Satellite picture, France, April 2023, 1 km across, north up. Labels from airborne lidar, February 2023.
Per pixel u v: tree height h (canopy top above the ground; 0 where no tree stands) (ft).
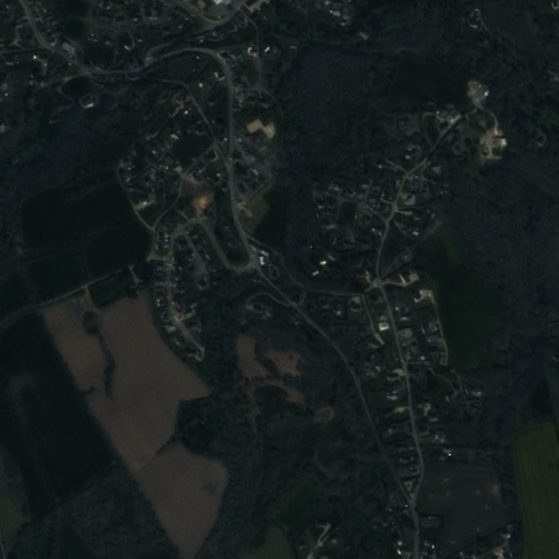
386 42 46
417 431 0
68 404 0
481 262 39
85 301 0
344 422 41
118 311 0
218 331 67
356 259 35
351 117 46
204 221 0
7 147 56
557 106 53
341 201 0
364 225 0
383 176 34
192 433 45
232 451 55
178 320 0
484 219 75
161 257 0
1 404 0
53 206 0
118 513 23
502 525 0
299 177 52
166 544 19
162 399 0
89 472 0
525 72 58
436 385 49
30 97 44
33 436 0
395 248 0
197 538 0
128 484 21
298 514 0
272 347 44
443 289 0
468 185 58
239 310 55
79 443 0
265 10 34
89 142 53
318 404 0
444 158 30
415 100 0
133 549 34
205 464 0
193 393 0
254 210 0
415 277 0
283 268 38
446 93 0
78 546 0
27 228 0
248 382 27
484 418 46
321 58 46
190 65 0
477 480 0
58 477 0
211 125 22
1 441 0
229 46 0
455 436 0
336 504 35
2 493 0
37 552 26
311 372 51
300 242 54
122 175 25
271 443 0
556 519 0
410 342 0
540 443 0
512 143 58
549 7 0
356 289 55
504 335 59
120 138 0
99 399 0
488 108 30
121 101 24
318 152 43
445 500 0
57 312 0
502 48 27
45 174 69
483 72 56
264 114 0
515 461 0
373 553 47
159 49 0
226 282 22
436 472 0
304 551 0
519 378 65
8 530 0
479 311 0
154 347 0
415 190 0
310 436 0
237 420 26
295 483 34
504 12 49
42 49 0
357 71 62
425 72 0
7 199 68
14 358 0
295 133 79
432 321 0
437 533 0
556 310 53
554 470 0
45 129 0
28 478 0
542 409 0
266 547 0
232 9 20
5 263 77
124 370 0
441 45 62
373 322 0
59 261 0
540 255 74
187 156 0
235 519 25
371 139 26
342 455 0
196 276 0
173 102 0
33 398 0
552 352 33
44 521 30
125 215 0
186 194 0
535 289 25
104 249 0
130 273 35
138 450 0
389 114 28
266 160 0
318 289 56
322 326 34
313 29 46
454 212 44
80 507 22
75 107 47
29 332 0
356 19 27
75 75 0
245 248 0
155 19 0
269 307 0
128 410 0
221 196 29
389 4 27
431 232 0
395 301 33
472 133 0
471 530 0
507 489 73
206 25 0
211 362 31
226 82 0
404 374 0
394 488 30
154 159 46
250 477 34
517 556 61
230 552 20
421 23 59
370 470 31
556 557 0
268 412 0
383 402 0
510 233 61
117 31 0
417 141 24
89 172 36
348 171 40
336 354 21
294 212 64
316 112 58
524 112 0
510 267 62
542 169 46
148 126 0
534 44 34
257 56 0
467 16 20
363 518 26
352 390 32
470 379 30
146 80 24
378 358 0
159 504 0
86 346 0
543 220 52
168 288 0
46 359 0
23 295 0
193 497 0
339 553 0
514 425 41
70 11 0
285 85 63
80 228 0
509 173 55
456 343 0
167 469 0
